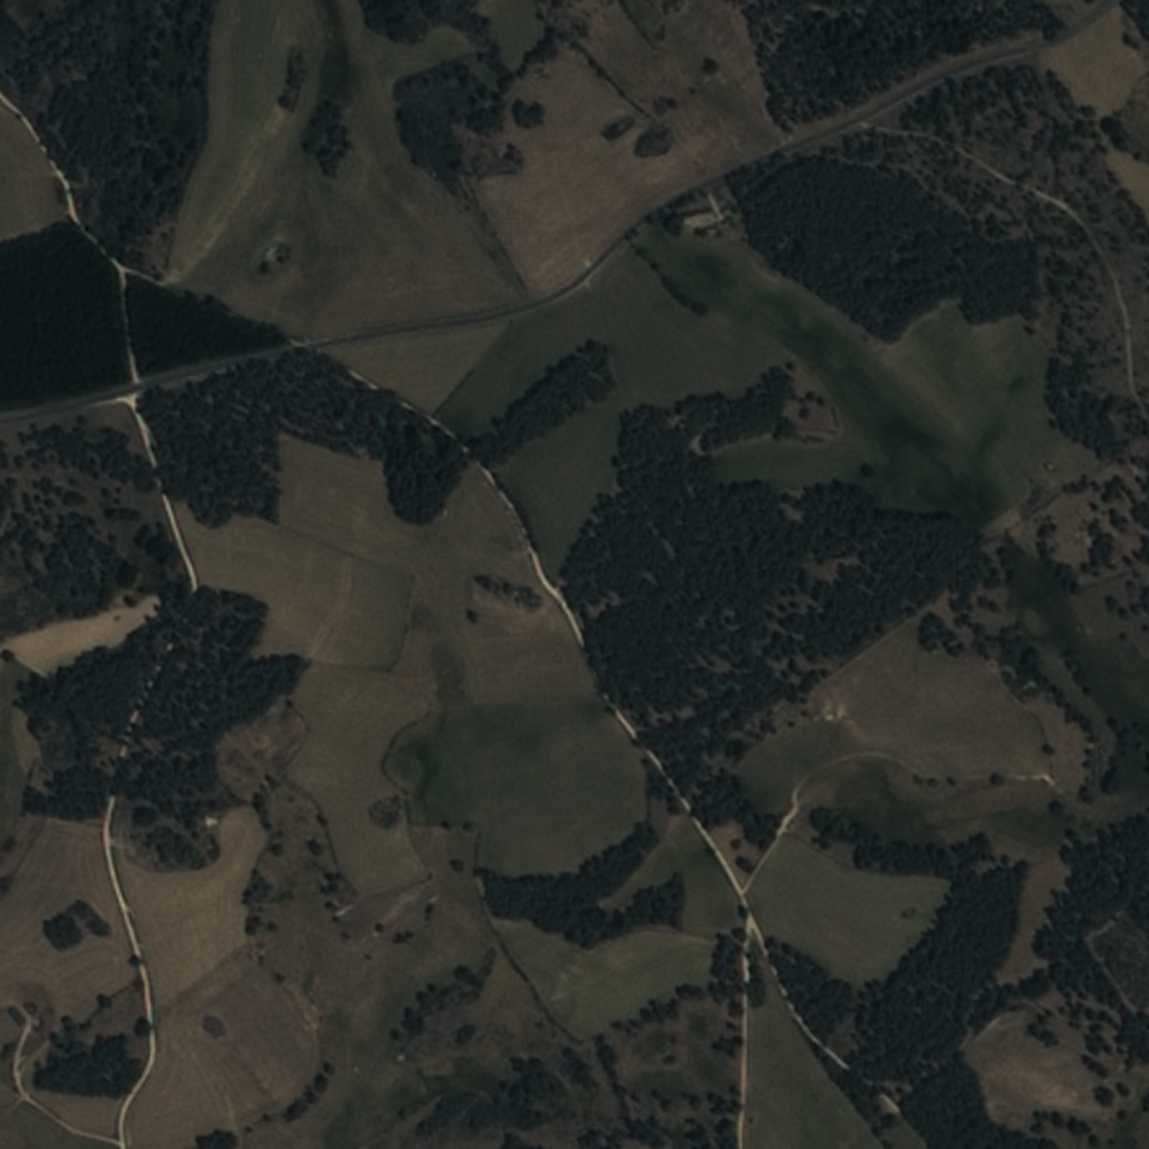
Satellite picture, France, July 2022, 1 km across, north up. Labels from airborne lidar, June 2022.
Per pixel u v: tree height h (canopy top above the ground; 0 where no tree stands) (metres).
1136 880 18
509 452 19
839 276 16
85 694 17
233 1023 0
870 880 0
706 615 14
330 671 0
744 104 0
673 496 19
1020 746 0
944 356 0
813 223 21
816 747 0
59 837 0
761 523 20
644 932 0
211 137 0
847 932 0
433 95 0
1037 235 16
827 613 15
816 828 11
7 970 0
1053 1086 0
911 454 0
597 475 0
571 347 0
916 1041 19
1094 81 0
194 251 0
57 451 9
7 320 14
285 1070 0
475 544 0
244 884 0
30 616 0
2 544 10
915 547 22
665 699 17
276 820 0
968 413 0
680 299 10
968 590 13
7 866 0
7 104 0
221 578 0
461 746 0
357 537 0
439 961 0
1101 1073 13
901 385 0
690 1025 0
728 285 0
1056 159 11
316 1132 0
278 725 0
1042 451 0
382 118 0
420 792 0
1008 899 19
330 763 0
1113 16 0
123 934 0
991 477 0
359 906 0
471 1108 0
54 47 13
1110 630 0
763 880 0
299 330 0
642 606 15
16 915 0
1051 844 0
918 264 21
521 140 0
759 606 18
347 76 0
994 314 17
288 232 0
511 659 0
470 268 0
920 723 0
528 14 0
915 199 20
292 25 0
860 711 0
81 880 0
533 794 0
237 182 0
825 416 0
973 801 0
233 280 0
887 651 0
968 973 20
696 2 0
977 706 0
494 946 0
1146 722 0
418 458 22
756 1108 0
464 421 0
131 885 0
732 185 13
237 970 0
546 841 0
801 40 16
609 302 0
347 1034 0
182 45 9
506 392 0
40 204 0
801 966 12
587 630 11
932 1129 19
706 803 16
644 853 9
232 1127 0
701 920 0
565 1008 0
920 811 0
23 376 14
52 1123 0
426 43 0
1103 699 0
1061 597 0
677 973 0
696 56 0
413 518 21
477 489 0
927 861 9
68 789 18
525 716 0
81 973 0
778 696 16
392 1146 0
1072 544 0
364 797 0
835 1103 0
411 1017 10
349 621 0
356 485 0
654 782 9
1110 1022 10
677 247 0
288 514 0
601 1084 0
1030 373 0
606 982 0
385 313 0
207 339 15
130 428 0
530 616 0
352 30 0
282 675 20
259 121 0
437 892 0
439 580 0
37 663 0
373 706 0
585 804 0
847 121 0
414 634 0
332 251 0
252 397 17
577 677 0
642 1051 0
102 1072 17
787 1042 0
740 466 0
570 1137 0
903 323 16
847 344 0
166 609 13
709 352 0
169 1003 0
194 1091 0
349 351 0
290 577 0
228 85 0
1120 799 0
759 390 10
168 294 14
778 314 0
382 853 0
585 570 12
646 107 0
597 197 0
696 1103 16
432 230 0
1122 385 0
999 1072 0
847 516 24
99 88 11
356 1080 0
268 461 20
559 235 0
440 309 0
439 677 0
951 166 11
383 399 20
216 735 17
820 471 0
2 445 7
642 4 0
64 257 14
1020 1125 0
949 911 15
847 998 15
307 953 0
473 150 0
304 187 0
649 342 0
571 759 0
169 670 16
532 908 18
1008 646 12
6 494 11
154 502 0
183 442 16
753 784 0
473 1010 0
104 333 14
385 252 0
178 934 0
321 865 0
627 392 0
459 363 0
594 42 0
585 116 0
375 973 0
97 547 11
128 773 15
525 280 0
